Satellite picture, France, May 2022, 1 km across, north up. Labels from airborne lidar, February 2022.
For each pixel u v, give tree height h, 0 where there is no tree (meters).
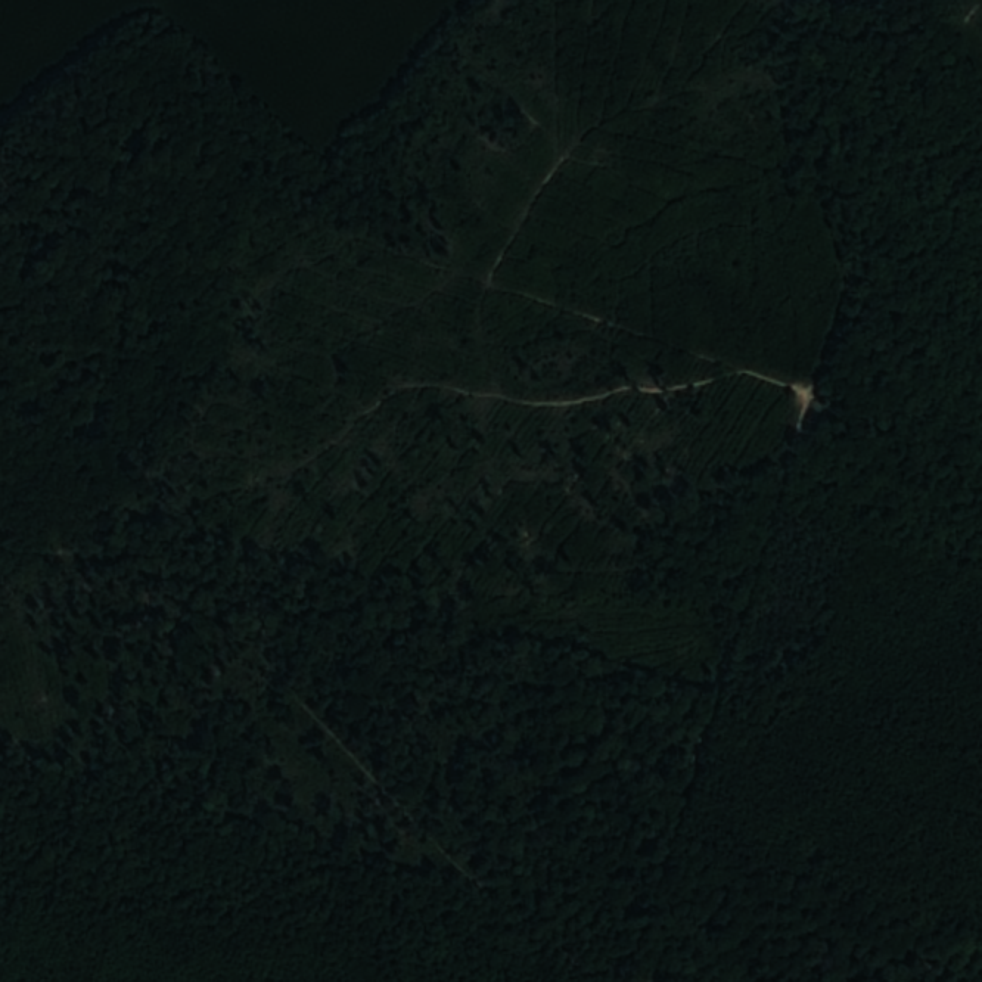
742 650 16
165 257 34
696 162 8
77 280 33
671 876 28
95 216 31
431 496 0
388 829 24
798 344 8
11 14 0
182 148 30
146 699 31
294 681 27
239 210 31
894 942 29
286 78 0
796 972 30
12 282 30
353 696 28
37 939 19
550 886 27
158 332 29
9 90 0
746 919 30
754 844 17
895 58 26
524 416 0
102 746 30
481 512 28
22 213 28
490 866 26
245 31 0
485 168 0
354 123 17
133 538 33
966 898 19
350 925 23
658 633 0
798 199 31
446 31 16
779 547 25
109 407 28
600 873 25
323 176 22
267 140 26
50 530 32
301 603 18
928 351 28
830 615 20
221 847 26
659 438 0
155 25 15
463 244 0
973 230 25
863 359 23
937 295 23
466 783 28
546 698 21
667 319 8
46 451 31
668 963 26
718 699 15
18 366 32
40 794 26
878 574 16
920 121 22
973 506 24
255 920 24
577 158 0
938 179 21
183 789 29
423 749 34
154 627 31
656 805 25
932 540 27
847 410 27
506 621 8
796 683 21
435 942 27
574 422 9
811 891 29
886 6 28
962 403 23
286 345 0
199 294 32
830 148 30
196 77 25
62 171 33
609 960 18
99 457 31
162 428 31
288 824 25
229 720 26
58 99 28
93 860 29
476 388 0
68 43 0
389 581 23
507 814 27
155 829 21
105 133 31
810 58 21
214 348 26
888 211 24
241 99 24
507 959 22
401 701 29
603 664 25
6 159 31
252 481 0
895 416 27
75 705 31
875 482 23
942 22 24
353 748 31
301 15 0
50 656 23
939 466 28
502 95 8
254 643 28
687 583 25
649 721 28
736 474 23
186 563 31
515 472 0
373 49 0
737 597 24
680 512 26
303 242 0
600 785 33
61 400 29
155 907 23
